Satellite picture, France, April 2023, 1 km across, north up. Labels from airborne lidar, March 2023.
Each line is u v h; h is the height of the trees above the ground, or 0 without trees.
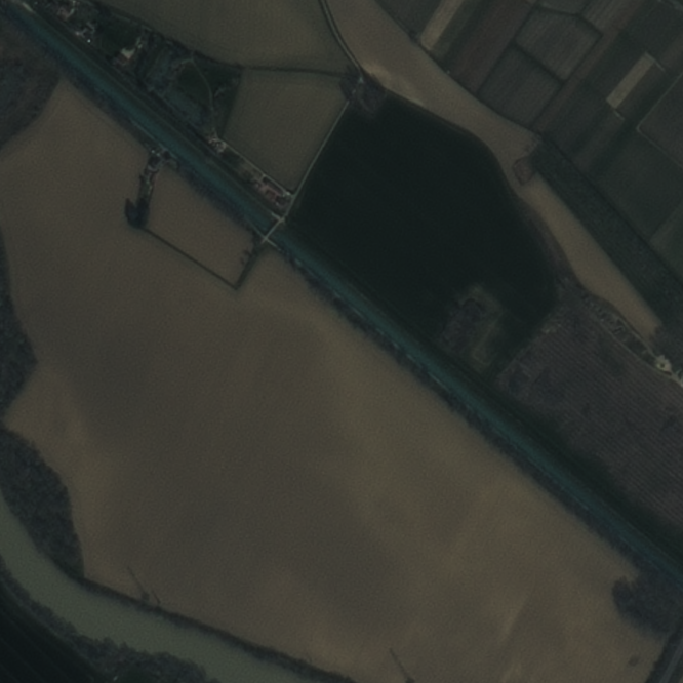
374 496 0
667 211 0
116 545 0
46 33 0
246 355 0
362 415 0
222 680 0
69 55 0
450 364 0
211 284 0
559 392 0
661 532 0
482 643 0
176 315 0
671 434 0
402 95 0
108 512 0
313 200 0
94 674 0
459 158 0
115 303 0
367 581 0
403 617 0
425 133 0
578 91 0
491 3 0
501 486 0
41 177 0
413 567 0
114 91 0
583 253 0
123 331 0
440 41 0
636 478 0
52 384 0
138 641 0
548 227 0
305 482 0
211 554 0
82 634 0
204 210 0
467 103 0
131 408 0
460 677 0
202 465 0
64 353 0
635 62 0
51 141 0
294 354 0
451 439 0
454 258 0
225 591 0
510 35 0
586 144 0
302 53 0
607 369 0
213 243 0
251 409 0
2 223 0
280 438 0
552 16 0
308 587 0
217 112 15
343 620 0
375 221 0
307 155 0
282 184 0
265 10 0
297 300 0
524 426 0
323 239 0
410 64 0
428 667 0
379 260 0
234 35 0
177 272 0
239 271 0
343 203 0
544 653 0
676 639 7
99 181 0
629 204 0
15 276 0
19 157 0
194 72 0
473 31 0
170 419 0
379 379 0
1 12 0
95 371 0
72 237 0
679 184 0
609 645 0
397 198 0
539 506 0
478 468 0
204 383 0
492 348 0
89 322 0
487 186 0
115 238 0
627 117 0
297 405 0
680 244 0
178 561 0
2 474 19
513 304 0
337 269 0
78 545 20
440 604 0
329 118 0
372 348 0
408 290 0
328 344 0
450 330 18
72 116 0
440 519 0
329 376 0
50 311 0
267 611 0
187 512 0
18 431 0
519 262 0
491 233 0
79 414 0
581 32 0
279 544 0
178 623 16
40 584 0
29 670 0
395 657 0
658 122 0
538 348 0
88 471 0
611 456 0
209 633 12
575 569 0
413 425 0
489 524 0
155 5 0
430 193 0
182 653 0
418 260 0
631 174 0
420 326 0
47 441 0
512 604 0
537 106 0
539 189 0
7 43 0
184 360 0
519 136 0
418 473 0
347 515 0
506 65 0
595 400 0
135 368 0
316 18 0
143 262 0
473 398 0
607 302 0
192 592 0
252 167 0
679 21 0
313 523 0
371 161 0
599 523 18
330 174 0
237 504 0
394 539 0
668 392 0
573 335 0
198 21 0
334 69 0
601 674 0
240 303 0
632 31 0
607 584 0
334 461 0
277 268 0
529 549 0
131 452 0
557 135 0
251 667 0
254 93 0
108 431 0
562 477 0
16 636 0
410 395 0
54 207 0
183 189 0
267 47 0
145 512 0
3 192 0
